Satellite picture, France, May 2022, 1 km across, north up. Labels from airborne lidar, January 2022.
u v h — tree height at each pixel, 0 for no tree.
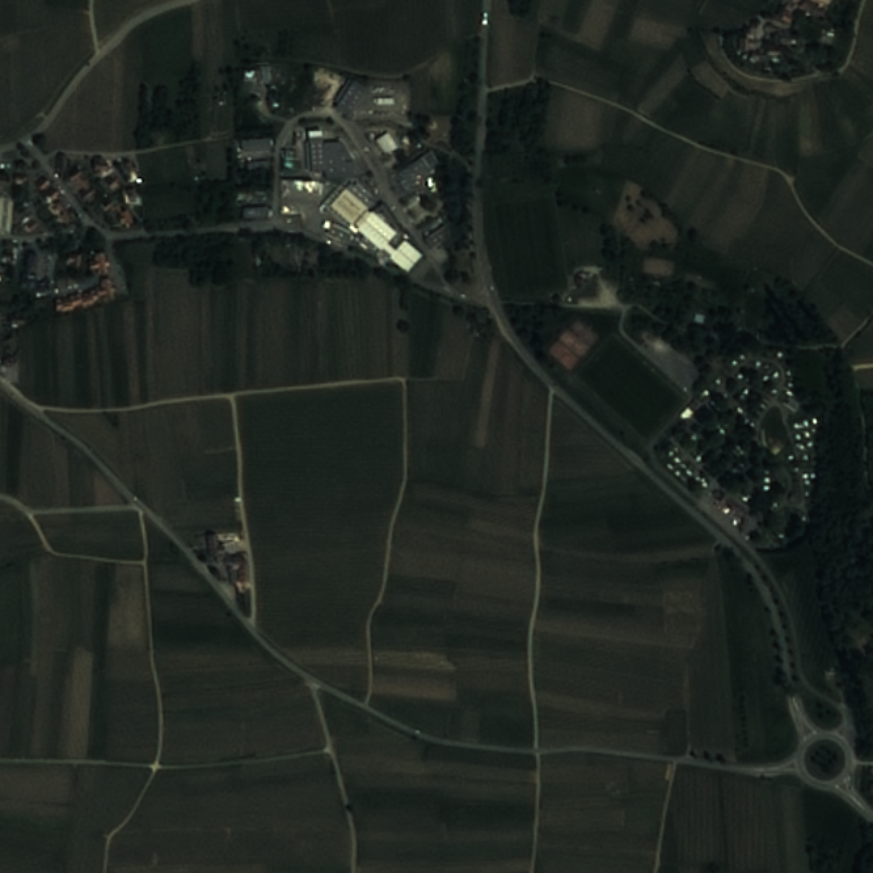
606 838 0
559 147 0
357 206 0
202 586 0
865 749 19
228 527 0
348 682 0
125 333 0
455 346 0
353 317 0
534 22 0
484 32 0
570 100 0
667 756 0
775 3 0
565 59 0
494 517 0
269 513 0
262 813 0
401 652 0
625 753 0
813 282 0
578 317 0
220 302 0
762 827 0
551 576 0
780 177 0
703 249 0
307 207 0
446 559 0
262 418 0
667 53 0
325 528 0
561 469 0
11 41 0
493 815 0
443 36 0
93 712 0
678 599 0
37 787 0
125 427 0
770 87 0
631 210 7
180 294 0
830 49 13
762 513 12
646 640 0
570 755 0
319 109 0
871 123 0
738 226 0
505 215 0
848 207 0
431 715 0
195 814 0
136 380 0
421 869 0
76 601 0
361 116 0
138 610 0
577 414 0
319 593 0
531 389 0
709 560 0
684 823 0
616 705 0
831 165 0
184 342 0
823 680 0
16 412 0
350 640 0
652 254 0
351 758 0
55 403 0
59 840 0
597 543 0
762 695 0
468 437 0
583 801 0
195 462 0
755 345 17
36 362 0
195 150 0
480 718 0
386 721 0
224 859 0
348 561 0
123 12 0
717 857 0
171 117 10
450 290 0
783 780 0
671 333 12
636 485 0
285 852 0
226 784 0
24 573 0
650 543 0
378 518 0
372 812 0
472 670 0
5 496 0
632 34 0
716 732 0
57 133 0
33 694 0
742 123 0
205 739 0
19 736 0
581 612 0
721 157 0
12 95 0
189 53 0
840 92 0
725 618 0
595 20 0
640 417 0
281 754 0
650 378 0
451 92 0
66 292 0
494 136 10
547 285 0
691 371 0
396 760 0
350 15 0
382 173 0
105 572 0
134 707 0
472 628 0
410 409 0
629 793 0
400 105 0
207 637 0
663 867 0
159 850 0
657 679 0
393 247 0
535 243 0
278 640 0
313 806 0
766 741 0
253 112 0
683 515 0
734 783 0
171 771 0
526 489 0
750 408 12
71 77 0
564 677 0
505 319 0
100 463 0
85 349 0
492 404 0
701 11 0
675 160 0
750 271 0
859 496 8
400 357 0
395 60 0
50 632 0
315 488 0
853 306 0
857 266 0
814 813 0
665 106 0
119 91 0
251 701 0
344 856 0
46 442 0
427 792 0
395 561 0
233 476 0
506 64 0
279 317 0
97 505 0
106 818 0
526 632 0
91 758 0
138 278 0
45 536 0
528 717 0
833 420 8
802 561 0
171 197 0
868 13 0
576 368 0
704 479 9
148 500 0
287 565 0
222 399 0
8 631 0
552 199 0
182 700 0
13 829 0
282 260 0
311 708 0
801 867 0
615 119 0
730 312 7
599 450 0
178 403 0
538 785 0
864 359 0
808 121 0
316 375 0
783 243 0
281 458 0
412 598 0
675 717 0
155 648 0
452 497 0
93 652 0
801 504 0
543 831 0
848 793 0
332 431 0
